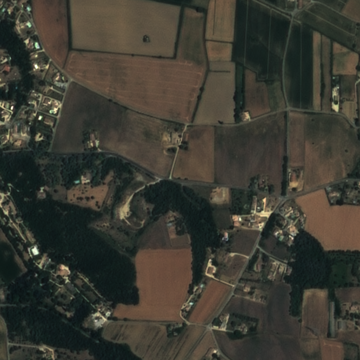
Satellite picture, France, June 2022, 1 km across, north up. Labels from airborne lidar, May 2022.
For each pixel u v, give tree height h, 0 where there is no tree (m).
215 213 0
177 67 0
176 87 0
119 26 0
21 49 9
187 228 9
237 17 0
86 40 0
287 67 0
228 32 0
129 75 0
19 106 12
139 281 0
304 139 0
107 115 0
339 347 0
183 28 0
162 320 0
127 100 0
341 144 0
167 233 0
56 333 11
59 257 16
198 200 19
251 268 11
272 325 0
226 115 0
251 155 0
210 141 0
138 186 0
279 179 0
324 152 0
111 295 9
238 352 0
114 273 8
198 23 0
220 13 0
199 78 0
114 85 0
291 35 0
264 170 0
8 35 9
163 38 0
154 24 0
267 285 0
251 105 0
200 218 16
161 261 0
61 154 0
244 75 6
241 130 0
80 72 0
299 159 0
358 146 0
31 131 11
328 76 0
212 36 0
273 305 0
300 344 0
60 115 0
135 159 0
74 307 14
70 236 6
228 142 0
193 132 0
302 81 0
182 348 0
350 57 0
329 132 0
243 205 0
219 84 0
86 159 19
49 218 9
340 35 0
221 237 12
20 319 11
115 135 0
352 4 0
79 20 0
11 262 0
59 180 14
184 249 0
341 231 0
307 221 0
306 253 10
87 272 11
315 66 0
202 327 0
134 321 0
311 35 0
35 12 0
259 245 8
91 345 15
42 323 15
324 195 0
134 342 0
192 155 0
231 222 0
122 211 0
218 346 0
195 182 0
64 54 0
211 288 0
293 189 6
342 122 0
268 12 0
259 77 0
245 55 0
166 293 0
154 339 0
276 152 0
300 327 0
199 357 0
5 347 0
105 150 0
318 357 0
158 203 9
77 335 15
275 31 0
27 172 9
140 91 0
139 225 0
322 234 0
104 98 0
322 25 0
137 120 0
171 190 10
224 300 0
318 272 13
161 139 0
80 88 0
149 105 0
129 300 10
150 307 0
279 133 0
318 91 0
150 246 0
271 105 0
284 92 0
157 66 0
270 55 0
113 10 0
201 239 10
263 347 0
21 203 8
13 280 0
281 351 0
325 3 0
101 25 0
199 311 0
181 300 0
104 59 0
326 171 0
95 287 13
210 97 0
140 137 0
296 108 0
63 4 0
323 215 0
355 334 0
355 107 0
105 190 0
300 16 0
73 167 15
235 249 0
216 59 0
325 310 0
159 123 0
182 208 11
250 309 0
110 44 0
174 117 0
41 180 13
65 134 0
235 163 0
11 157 7
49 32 0
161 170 0
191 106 0
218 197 0
